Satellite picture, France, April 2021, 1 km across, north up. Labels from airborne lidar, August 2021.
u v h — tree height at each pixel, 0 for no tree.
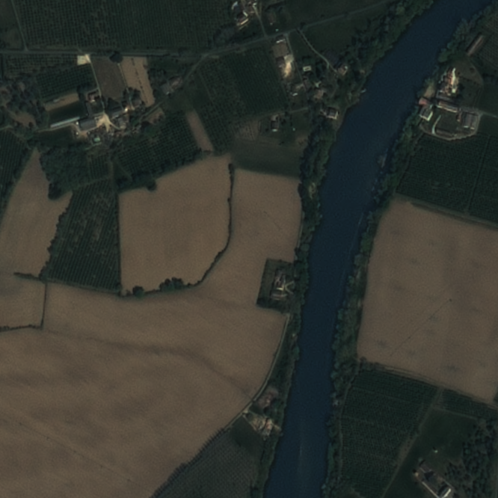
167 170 23
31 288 0
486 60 6
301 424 0
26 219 0
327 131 34
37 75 13
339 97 9
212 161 0
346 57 10
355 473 6
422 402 6
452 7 0
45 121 21
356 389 7
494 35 6
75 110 0
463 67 0
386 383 7
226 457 28
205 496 26
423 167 7
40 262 0
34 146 13
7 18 0
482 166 6
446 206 6
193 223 0
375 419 7
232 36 21
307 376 0
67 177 20
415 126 15
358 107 0
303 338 0
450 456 0
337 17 0
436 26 0
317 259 0
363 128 0
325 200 0
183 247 0
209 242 0
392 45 9
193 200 0
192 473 26
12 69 6
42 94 6
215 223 0
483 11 13
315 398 0
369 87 0
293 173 0
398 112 0
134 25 5
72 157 21
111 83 0
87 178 17
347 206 0
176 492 25
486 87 0
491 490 15
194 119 0
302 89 0
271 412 14
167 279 0
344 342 27
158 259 0
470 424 0
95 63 0
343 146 0
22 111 17
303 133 0
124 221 0
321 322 0
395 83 0
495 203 6
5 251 0
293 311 16
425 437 0
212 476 27
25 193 0
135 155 6
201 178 0
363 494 6
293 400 0
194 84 12
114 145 9
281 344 0
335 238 0
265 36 0
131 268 0
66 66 11
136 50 9
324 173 18
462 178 6
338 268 0
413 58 0
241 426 0
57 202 0
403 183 7
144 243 0
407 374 0
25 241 0
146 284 0
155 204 0
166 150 6
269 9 6
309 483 0
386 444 7
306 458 0
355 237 0
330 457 14
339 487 18
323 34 0
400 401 6
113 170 0
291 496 0
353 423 6
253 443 0
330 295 0
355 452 6
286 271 9
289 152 0
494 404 0
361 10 0
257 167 0
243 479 28
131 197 0
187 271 0
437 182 7
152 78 6
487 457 11
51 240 0
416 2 13
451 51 14
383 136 0
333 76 12
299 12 0
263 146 0
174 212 0
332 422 26
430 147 6
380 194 27
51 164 21
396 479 0
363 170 0
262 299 8
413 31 0
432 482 18
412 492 0
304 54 0
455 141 6
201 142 0
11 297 0
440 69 8
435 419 0
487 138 6
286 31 0
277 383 14
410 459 0
